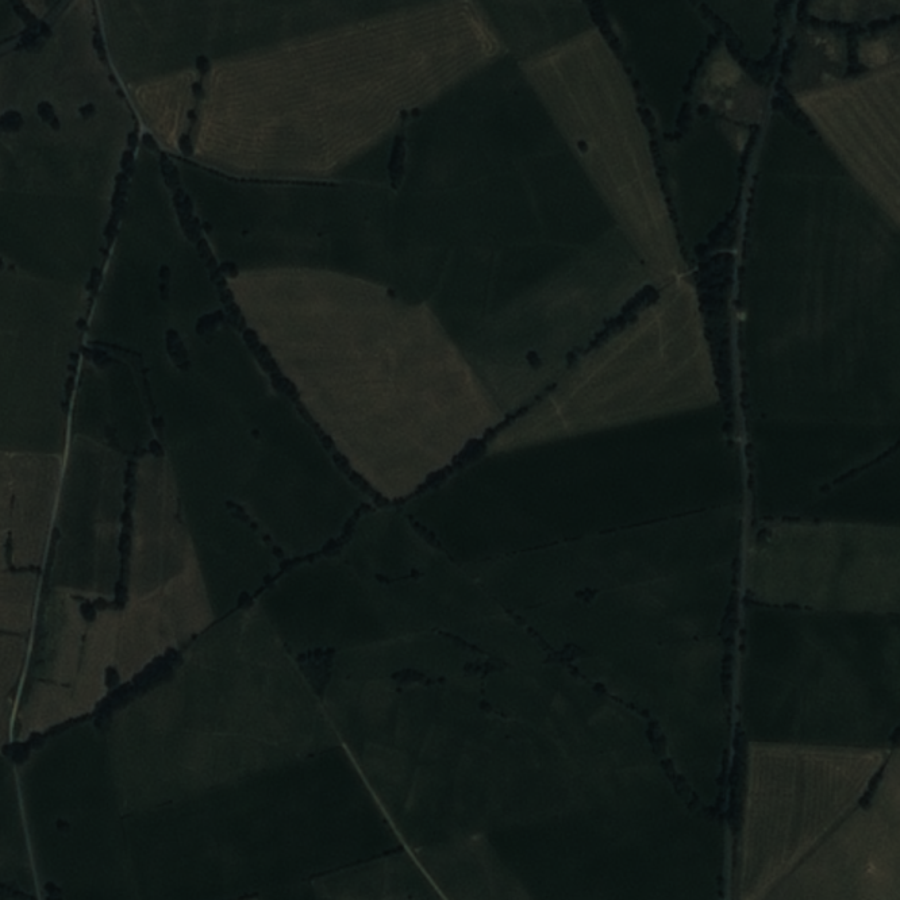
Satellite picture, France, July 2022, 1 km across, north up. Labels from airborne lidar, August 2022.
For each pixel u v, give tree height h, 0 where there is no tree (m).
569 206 0
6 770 0
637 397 0
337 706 0
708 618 0
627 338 0
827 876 0
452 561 7
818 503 0
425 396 0
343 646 0
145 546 0
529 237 0
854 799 0
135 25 0
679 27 0
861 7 0
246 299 0
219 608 0
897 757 0
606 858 0
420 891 0
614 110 0
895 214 0
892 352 0
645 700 0
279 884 0
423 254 0
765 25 0
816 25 12
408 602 0
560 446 0
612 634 0
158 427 14
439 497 0
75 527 0
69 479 0
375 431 0
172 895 0
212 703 0
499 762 0
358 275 0
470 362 0
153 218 0
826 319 0
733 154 0
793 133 0
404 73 0
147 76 0
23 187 0
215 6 0
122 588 15
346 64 0
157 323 0
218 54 0
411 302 0
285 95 0
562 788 0
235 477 0
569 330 0
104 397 0
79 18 0
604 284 0
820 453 0
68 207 0
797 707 0
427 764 0
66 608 0
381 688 0
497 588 0
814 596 0
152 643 0
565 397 0
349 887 0
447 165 0
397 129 0
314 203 0
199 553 0
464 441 0
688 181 0
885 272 0
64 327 0
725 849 0
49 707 0
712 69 0
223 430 0
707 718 0
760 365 0
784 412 0
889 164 0
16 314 0
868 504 0
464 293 0
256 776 0
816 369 0
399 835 0
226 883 0
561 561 0
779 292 0
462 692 0
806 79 0
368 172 0
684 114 12
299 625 0
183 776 0
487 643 0
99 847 0
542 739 0
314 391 0
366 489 11
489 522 0
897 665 0
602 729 0
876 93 0
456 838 0
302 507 0
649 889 0
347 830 0
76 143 0
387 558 0
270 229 0
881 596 0
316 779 0
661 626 0
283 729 0
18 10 14
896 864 0
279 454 0
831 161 0
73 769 0
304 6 0
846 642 0
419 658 0
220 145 0
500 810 0
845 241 0
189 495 0
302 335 0
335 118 0
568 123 0
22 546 0
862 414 0
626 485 0
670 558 0
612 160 0
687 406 0
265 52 0
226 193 0
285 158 0
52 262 0
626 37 0
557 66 0
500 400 0
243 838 0
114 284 0
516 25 0
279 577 6
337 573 0
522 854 0
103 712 23
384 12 0
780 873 0
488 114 0
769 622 0
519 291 0
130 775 0
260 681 0
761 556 0
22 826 0
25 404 0
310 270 0
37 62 0
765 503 0
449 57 0
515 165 0
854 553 0
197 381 0
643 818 0
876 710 0
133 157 13
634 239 0
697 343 0
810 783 0
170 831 0
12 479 0
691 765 0
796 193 0
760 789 0
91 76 0
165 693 0
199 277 0
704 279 10
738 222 10
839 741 0
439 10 0
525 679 0
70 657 0
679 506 0
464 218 0
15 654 0
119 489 0
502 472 0
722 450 0
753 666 0
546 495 0
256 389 0
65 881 0
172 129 0
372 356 0
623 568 0
